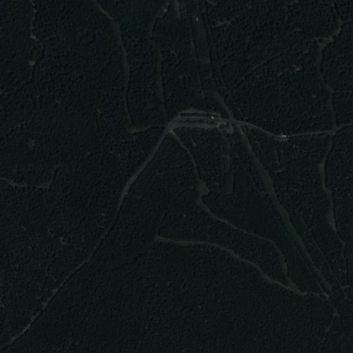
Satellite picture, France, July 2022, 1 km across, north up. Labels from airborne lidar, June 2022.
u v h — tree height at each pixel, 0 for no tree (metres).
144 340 16
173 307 11
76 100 18
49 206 18
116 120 15
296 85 13
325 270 11
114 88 18
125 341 13
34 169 7
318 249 9
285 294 12
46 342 15
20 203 16
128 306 13
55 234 16
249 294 13
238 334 12
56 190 21
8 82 20
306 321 11
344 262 14
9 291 19
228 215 12
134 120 17
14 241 18
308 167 15
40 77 24
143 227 14
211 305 11
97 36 21
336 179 13
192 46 7
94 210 15
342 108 15
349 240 13
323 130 9
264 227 11
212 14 21
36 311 16
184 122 7
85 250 18
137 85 17
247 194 11
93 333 15
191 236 10
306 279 11
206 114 7
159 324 14
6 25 14
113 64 16
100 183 15
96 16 10
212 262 13
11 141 20
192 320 13
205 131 11
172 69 15
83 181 18
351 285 11
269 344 12
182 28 18
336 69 16
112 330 14
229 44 22
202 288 12
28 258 16
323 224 12
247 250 11
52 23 22
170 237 11
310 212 12
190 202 12
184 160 14
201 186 0
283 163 15
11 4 22
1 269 19
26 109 22
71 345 8
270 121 14
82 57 20
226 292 13
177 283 16
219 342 13
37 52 17
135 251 12
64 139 17
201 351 13
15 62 23
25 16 18
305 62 19
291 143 14
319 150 18
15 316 19
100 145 18
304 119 13
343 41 20
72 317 17
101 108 18
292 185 16
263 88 13
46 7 20
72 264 15
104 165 18
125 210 14
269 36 15
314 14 20
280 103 11
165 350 15
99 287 15
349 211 14
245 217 14
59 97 24
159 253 13
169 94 14
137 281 16
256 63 17
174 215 12
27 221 15
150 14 12
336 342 10
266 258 10
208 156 10
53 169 11
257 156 11
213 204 15
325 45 0
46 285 15
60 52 19
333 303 10
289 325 12
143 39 17
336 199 14
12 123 18
